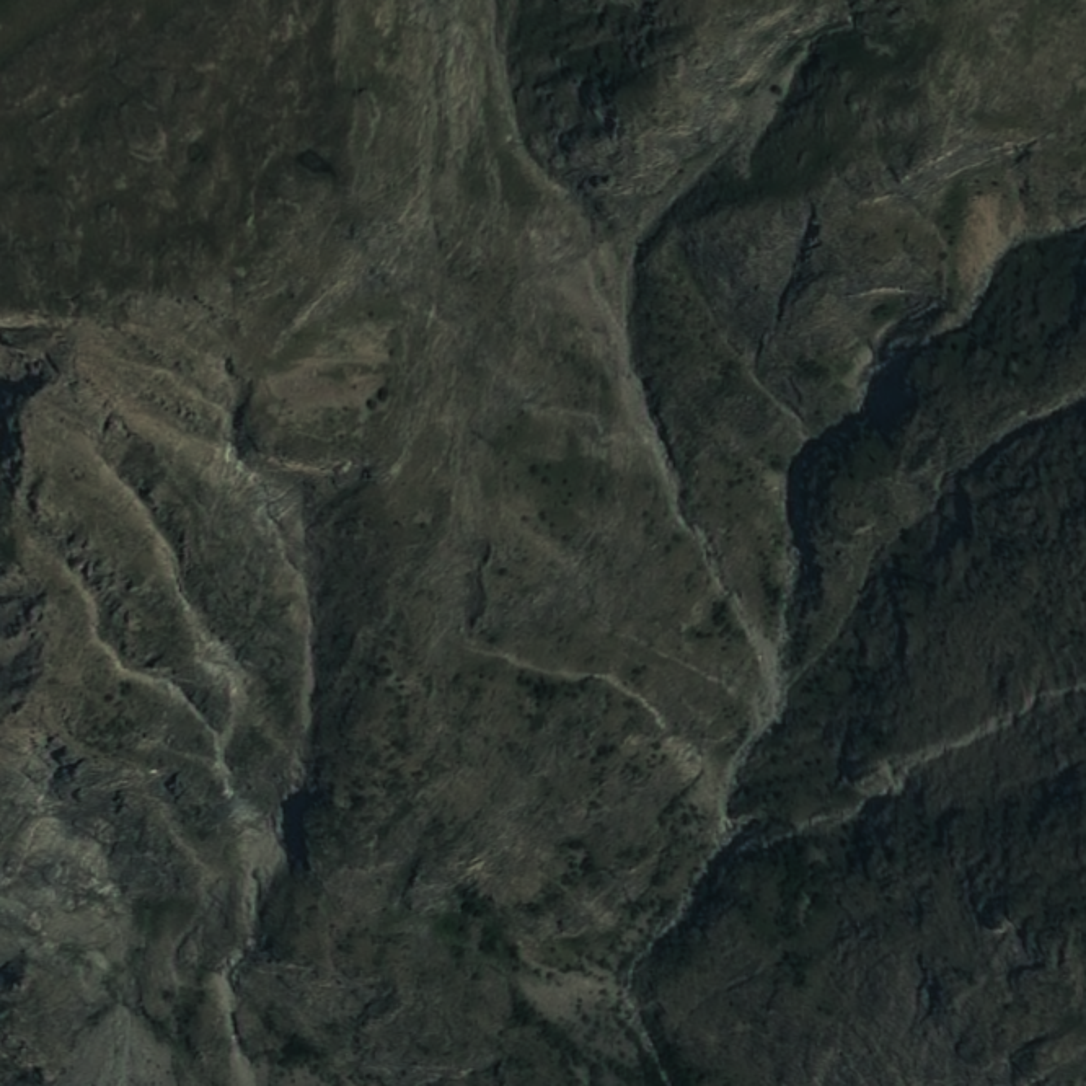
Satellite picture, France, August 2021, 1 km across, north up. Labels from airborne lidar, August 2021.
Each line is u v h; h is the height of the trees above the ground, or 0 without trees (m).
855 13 0
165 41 0
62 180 0
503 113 0
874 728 8
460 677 8
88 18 0
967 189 0
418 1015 8
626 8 0
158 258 0
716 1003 0
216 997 0
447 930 0
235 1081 0
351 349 0
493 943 12
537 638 0
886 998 0
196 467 0
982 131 0
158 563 0
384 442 0
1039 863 0
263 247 0
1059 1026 0
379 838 7
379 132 0
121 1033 0
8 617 0
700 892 11
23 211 0
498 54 0
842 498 0
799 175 0
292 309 0
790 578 0
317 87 0
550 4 0
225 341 0
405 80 0
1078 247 0
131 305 0
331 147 0
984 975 0
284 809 0
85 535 0
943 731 0
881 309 6
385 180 0
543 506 0
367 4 0
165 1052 0
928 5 0
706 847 7
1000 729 0
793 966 7
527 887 0
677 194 0
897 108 0
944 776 0
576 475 0
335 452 0
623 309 0
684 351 7
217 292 0
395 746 7
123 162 0
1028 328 0
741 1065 0
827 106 0
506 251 0
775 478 0
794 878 6
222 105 0
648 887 6
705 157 0
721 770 0
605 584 0
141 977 0
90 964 0
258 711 0
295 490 0
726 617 7
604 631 0
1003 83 0
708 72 0
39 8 0
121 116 0
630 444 0
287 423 0
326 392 0
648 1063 12
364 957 0
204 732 0
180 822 10
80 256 0
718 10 0
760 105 0
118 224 0
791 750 8
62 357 0
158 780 30
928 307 0
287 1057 7
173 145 0
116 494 0
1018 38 0
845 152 0
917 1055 0
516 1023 5
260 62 0
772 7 0
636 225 0
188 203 0
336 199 0
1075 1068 0
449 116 0
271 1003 6
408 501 0
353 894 0
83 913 0
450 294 0
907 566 9
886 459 0
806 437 0
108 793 11
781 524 0
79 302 0
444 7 0
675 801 8
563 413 0
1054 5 0
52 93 0
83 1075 0
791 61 0
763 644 0
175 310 0
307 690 0
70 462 0
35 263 0
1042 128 0
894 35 0
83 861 0
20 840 0
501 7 0
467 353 0
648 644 0
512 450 0
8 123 0
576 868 13
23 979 0
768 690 0
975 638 0
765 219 0
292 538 0
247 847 0
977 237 0
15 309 0
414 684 0
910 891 6
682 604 0
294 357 0
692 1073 12
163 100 0
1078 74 0
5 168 0
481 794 0
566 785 0
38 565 0
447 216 0
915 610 0
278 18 0
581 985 0
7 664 0
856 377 0
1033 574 0
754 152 0
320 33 0
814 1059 0
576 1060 8
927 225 0
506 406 14
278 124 0
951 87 0
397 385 0
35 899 0
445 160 0
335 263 0
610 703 7
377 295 0
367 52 0
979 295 0
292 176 0
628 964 7
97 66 0
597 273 0
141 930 0
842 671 7
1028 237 0
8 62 0
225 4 0
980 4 0
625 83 0
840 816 0
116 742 8
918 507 0
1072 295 0
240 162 0
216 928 0
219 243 0
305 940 0
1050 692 0
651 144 0
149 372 0
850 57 0
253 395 0
